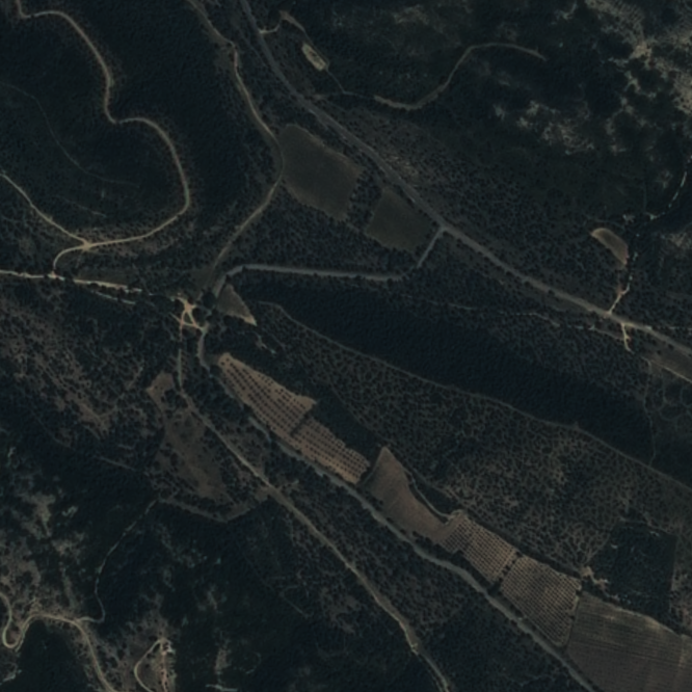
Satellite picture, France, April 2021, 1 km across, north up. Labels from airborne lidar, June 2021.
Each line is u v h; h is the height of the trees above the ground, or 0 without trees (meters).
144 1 7
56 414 6
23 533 0
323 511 7
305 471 11
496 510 6
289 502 0
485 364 8
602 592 7
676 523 0
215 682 5
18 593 0
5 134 10
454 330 7
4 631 0
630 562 7
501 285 7
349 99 8
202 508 6
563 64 6
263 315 8
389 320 8
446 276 8
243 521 9
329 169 0
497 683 6
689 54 0
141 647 0
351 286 7
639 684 0
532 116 0
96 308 11
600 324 8
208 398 14
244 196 7
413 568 10
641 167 0
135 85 8
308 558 8
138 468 10
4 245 10
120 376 8
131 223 7
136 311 10
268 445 10
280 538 5
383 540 8
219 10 12
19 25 6
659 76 0
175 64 5
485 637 6
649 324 8
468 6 0
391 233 0
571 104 0
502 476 6
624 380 6
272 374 6
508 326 7
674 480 0
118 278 0
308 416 8
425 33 0
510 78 0
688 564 0
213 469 0
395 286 11
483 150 0
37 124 0
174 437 0
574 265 8
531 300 7
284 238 8
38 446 6
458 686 6
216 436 8
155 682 0
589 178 0
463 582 7
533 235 7
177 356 6
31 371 8
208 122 7
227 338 8
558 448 0
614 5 0
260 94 9
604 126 0
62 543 0
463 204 8
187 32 7
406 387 7
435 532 0
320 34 8
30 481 0
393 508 0
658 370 0
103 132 7
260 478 7
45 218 0
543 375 7
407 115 6
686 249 0
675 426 0
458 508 7
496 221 9
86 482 8
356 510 11
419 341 6
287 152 0
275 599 7
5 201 7
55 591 0
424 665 7
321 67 0
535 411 6
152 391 0
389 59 6
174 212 0
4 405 6
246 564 8
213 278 0
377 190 11
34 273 7
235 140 9
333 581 7
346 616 7
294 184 0
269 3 6
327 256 8
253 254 7
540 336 7
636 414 8
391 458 0
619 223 8
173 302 12
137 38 7
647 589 6
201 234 9
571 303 0
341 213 0
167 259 8
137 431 8
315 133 6
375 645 8
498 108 0
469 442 9
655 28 0
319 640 6
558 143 0
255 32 11
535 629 6
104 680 0
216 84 7
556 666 7
